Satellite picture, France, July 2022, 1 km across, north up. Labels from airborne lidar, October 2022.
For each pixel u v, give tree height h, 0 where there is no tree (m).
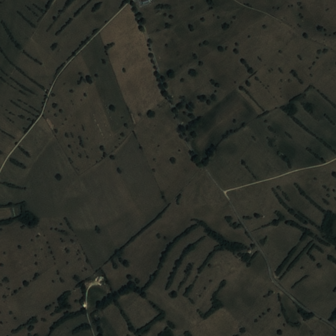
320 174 0
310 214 0
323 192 0
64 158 0
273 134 0
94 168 0
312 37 0
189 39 0
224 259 0
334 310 0
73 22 0
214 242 0
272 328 0
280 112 0
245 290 0
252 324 0
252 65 0
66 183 0
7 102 0
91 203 0
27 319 0
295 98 8
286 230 0
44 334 0
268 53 0
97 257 0
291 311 0
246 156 0
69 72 0
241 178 0
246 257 8
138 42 0
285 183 0
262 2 0
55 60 0
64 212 0
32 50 0
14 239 0
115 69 0
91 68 0
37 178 0
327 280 0
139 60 0
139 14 16
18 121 0
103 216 0
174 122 0
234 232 0
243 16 0
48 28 0
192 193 0
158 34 0
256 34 0
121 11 0
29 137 0
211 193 0
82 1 0
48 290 0
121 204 0
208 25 0
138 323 0
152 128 0
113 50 0
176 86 0
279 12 0
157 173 0
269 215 0
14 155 0
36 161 0
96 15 0
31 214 6
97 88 0
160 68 0
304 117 0
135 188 0
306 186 0
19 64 0
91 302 0
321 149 0
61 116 0
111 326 0
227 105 0
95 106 0
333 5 0
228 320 0
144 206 0
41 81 0
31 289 0
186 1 0
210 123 0
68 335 0
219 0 0
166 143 0
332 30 0
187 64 0
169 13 0
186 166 0
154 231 0
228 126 0
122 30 0
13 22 0
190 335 6
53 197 0
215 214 0
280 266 6
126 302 0
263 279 0
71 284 0
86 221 0
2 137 0
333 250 0
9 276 0
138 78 0
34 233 0
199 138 0
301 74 0
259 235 0
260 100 0
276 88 0
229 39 0
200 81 0
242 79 0
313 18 0
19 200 0
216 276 0
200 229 0
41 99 0
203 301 0
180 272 0
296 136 0
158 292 0
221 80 0
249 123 0
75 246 0
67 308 7
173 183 0
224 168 0
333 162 0
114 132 0
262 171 0
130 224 0
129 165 0
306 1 0
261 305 0
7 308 0
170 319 0
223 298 0
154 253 0
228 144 0
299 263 0
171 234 0
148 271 0
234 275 0
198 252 0
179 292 0
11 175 0
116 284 0
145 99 0
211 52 0
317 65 0
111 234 0
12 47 0
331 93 0
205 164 18
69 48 0
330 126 0
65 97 0
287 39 0
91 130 0
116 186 0
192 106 23
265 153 0
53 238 0
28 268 0
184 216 0
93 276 0
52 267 0
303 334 0
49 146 0
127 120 0
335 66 0
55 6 0
